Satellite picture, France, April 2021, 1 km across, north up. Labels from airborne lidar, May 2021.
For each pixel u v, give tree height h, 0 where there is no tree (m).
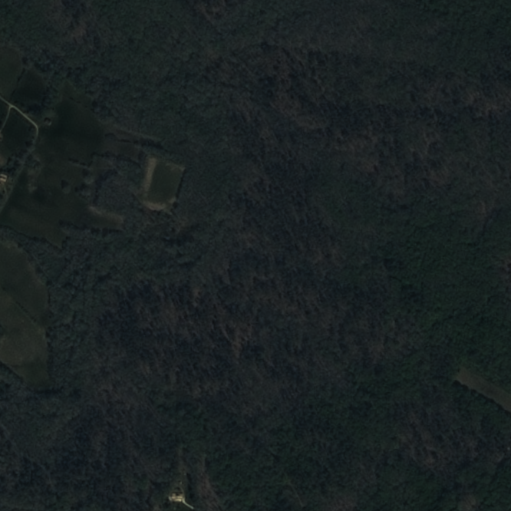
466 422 19
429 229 21
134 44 26
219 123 20
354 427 22
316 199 14
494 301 26
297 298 21
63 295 20
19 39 23
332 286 25
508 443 12
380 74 15
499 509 23
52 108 20
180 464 21
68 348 19
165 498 16
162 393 23
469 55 23
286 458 20
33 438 11
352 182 18
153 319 11
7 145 0
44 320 0
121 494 20
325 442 10
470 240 19
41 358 0
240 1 14
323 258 9
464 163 13
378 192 20
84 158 0
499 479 17
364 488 17
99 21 12
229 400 24
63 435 7
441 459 19
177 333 14
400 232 18
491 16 20
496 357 24
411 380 17
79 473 16
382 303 13
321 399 20
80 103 6
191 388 15
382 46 16
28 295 0
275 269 16
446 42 19
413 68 13
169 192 0
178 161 11
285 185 19
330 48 13
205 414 15
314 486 12
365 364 17
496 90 22
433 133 9
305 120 16
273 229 17
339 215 16
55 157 0
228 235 17
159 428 18
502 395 0
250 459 20
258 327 14
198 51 15
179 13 24
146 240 12
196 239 18
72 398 15
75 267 13
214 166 16
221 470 22
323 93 6
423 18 16
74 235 10
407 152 12
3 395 15
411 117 23
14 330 0
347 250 14
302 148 16
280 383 13
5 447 9
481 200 15
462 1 20
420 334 21
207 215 20
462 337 19
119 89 25
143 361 17
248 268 15
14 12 25
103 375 14
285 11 27
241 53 18
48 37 21
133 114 18
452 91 11
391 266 29
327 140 20
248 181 12
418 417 13
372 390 16
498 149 17
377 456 18
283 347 23
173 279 19
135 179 13
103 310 12
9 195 0
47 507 17
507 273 15
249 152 19
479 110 14
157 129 23
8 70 0
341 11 15
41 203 0
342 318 17
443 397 14
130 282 14
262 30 21
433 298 21
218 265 16
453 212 19
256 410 13
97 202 11
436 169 22
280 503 23
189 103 30
